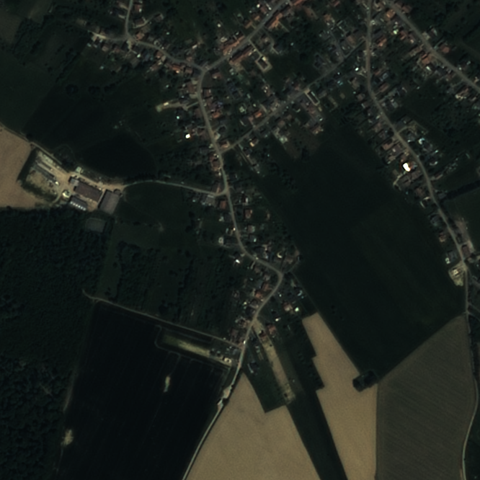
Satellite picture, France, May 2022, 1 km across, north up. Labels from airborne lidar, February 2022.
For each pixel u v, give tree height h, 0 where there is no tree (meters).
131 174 0
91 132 0
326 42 0
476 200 0
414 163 0
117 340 0
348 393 0
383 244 0
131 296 7
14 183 0
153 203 0
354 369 0
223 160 0
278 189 0
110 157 0
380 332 0
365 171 0
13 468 10
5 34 0
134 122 0
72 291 17
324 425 0
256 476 0
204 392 0
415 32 0
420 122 0
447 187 0
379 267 0
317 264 0
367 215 0
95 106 0
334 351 0
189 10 0
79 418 0
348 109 10
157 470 0
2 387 28
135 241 0
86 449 0
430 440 0
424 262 0
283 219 0
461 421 0
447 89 0
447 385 0
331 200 0
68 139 0
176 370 0
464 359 0
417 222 0
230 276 0
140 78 0
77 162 0
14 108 0
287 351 0
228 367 0
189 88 0
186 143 0
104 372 0
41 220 26
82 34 7
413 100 0
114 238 0
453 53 0
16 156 0
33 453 27
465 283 0
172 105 0
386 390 0
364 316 0
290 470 0
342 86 0
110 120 0
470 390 0
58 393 30
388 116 0
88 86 0
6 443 29
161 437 0
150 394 0
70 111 0
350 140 0
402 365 0
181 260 0
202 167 10
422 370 0
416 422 0
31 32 12
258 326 0
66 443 0
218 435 0
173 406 0
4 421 31
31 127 0
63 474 0
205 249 0
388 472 0
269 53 0
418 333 0
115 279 0
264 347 0
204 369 0
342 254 0
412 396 0
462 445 0
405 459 0
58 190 0
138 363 0
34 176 0
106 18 0
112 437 0
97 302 0
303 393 0
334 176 0
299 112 0
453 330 0
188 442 0
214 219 0
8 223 15
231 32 0
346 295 0
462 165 0
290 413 0
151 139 0
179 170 9
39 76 0
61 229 16
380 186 0
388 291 0
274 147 0
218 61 0
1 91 0
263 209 0
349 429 0
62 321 17
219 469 0
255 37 0
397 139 0
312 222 0
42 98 0
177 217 0
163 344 0
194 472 0
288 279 12
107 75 0
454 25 0
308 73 0
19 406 34
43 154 0
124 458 0
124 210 0
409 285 0
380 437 0
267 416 0
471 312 9
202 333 0
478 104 0
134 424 0
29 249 17
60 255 17
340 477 0
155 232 0
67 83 0
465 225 0
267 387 0
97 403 0
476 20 0
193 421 0
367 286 0
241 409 0
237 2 0
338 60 0
